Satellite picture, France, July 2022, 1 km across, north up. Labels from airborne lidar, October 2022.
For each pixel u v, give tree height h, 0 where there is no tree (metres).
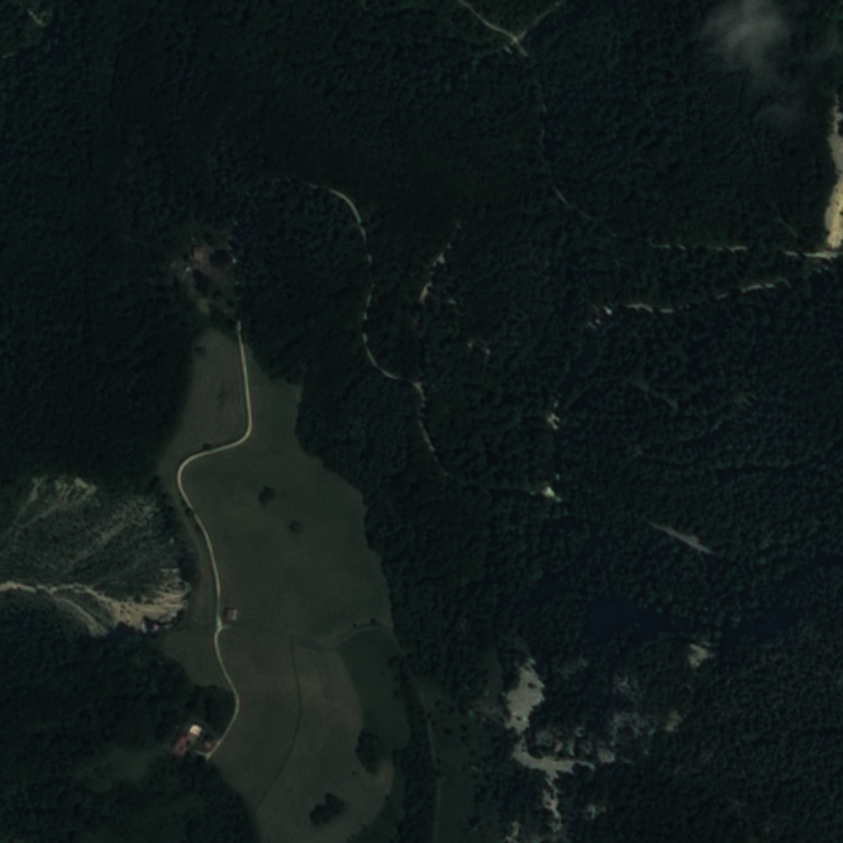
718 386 34
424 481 36
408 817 8
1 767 25
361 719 0
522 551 25
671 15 31
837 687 16
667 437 26
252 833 18
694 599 31
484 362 38
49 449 25
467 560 34
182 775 11
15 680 28
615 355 33
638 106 31
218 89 28
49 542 7
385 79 39
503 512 34
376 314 27
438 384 28
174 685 26
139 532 8
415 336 8
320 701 0
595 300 34
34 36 18
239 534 0
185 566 13
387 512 20
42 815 26
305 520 0
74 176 29
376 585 0
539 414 23
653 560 39
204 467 0
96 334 34
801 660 14
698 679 14
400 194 20
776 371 29
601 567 24
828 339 27
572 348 27
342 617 0
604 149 30
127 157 30
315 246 14
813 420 26
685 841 26
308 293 20
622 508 22
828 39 25
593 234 24
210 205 20
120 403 35
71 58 33
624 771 15
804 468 23
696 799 12
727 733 22
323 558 0
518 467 35
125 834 7
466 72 32
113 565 7
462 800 0
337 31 36
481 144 32
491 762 8
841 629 20
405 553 25
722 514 22
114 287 30
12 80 28
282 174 21
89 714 16
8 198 25
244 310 13
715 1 32
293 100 25
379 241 21
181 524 6
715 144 17
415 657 10
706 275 16
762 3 24
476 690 10
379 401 28
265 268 8
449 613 26
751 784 18
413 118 32
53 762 25
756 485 25
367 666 0
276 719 0
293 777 0
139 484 22
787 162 34
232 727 0
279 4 34
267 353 12
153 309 24
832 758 15
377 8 24
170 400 22
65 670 26
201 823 9
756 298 14
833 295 29
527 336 22
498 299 29
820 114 19
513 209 21
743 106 22
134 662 24
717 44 20
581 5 11
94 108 34
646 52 28
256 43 27
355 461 27
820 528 14
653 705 7
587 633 16
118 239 37
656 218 27
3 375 34
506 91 26
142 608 0
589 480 29
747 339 27
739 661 30
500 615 17
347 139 25
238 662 0
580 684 11
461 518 38
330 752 0
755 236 27
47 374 30
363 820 0
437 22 29
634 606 35
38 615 13
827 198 16
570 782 22
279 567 0
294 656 0
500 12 12
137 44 25
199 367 0
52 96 27
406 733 0
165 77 18
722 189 32
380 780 0
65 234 29
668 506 18
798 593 19
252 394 0
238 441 0
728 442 23
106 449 27
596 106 24
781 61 24
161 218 20
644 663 9
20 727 19
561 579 35
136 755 0
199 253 0
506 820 10
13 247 23
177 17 8
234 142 11
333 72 32
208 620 0
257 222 28
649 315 27
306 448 13
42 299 29
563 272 25
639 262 13
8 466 19
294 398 0
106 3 27
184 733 0
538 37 10
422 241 15
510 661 16
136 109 27
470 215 24
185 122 26
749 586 28
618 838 21
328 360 17
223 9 18
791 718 20
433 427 37
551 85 20
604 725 10
